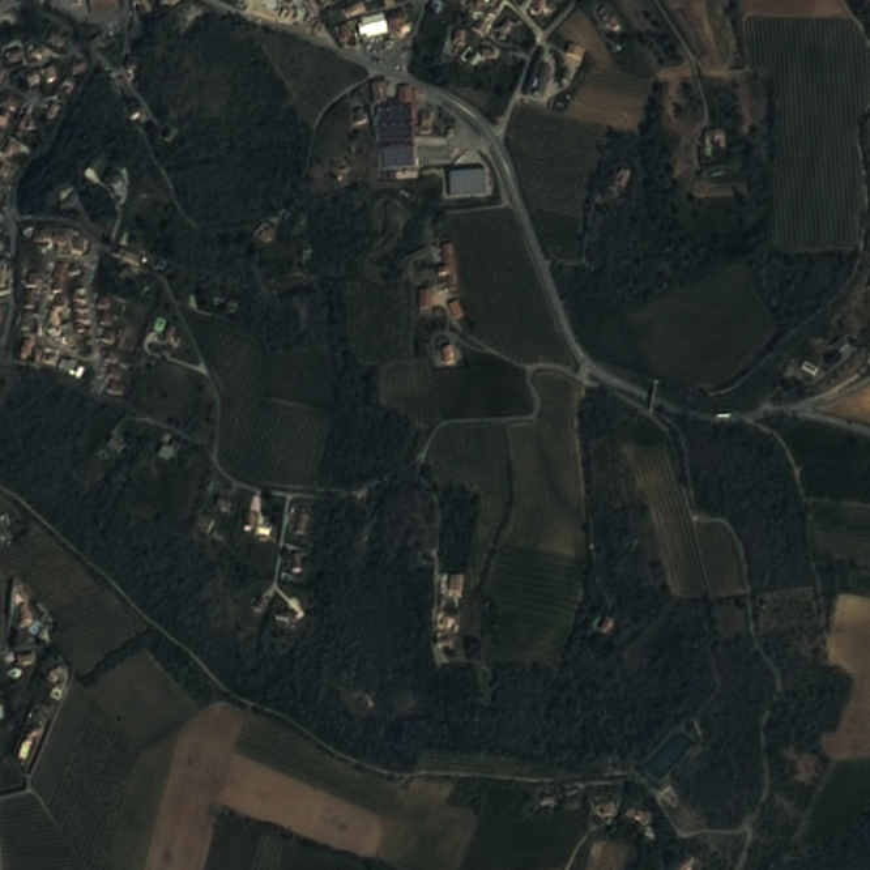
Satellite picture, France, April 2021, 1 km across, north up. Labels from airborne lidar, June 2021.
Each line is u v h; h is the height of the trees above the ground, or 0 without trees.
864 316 11
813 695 11
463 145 0
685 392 10
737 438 16
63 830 0
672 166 8
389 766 6
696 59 0
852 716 0
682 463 14
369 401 14
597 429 12
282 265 12
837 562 10
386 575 12
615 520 14
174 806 0
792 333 11
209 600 9
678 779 10
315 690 6
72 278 0
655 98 0
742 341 0
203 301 12
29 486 9
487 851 0
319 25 0
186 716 0
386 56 0
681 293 0
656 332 0
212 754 0
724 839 0
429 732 8
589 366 0
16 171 13
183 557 11
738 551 0
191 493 0
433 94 0
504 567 0
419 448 8
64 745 0
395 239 0
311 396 0
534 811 6
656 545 0
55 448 9
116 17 0
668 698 9
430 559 10
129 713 0
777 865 12
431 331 7
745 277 0
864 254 13
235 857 0
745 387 11
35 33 8
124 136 13
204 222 15
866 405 0
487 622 8
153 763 0
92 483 12
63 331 0
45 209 18
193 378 0
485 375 0
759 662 12
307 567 11
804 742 15
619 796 7
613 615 14
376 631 8
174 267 5
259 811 0
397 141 0
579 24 0
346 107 0
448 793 0
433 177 0
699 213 0
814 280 6
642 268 11
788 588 8
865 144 8
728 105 0
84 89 16
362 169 0
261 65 6
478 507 11
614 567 11
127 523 9
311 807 0
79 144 16
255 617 0
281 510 11
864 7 9
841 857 13
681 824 0
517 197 0
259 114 7
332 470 11
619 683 10
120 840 0
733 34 0
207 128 11
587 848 0
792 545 14
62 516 10
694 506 0
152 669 0
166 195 7
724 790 13
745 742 12
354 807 0
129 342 0
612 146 10
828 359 13
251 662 15
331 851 10
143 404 12
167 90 10
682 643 14
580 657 11
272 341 15
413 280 0
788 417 13
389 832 0
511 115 0
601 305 9
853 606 0
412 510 12
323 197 12
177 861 0
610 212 14
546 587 0
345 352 13
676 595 13
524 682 11
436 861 0
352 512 9
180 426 6
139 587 9
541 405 0
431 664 10
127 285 8
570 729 12
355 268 0
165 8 8
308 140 15
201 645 11
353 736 9
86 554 9
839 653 0
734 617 0
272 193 15
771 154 0
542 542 0
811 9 0
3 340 0
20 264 7
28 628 0
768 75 0
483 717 7
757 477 16
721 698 14
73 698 0
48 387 13
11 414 9
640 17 0
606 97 0
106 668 7
